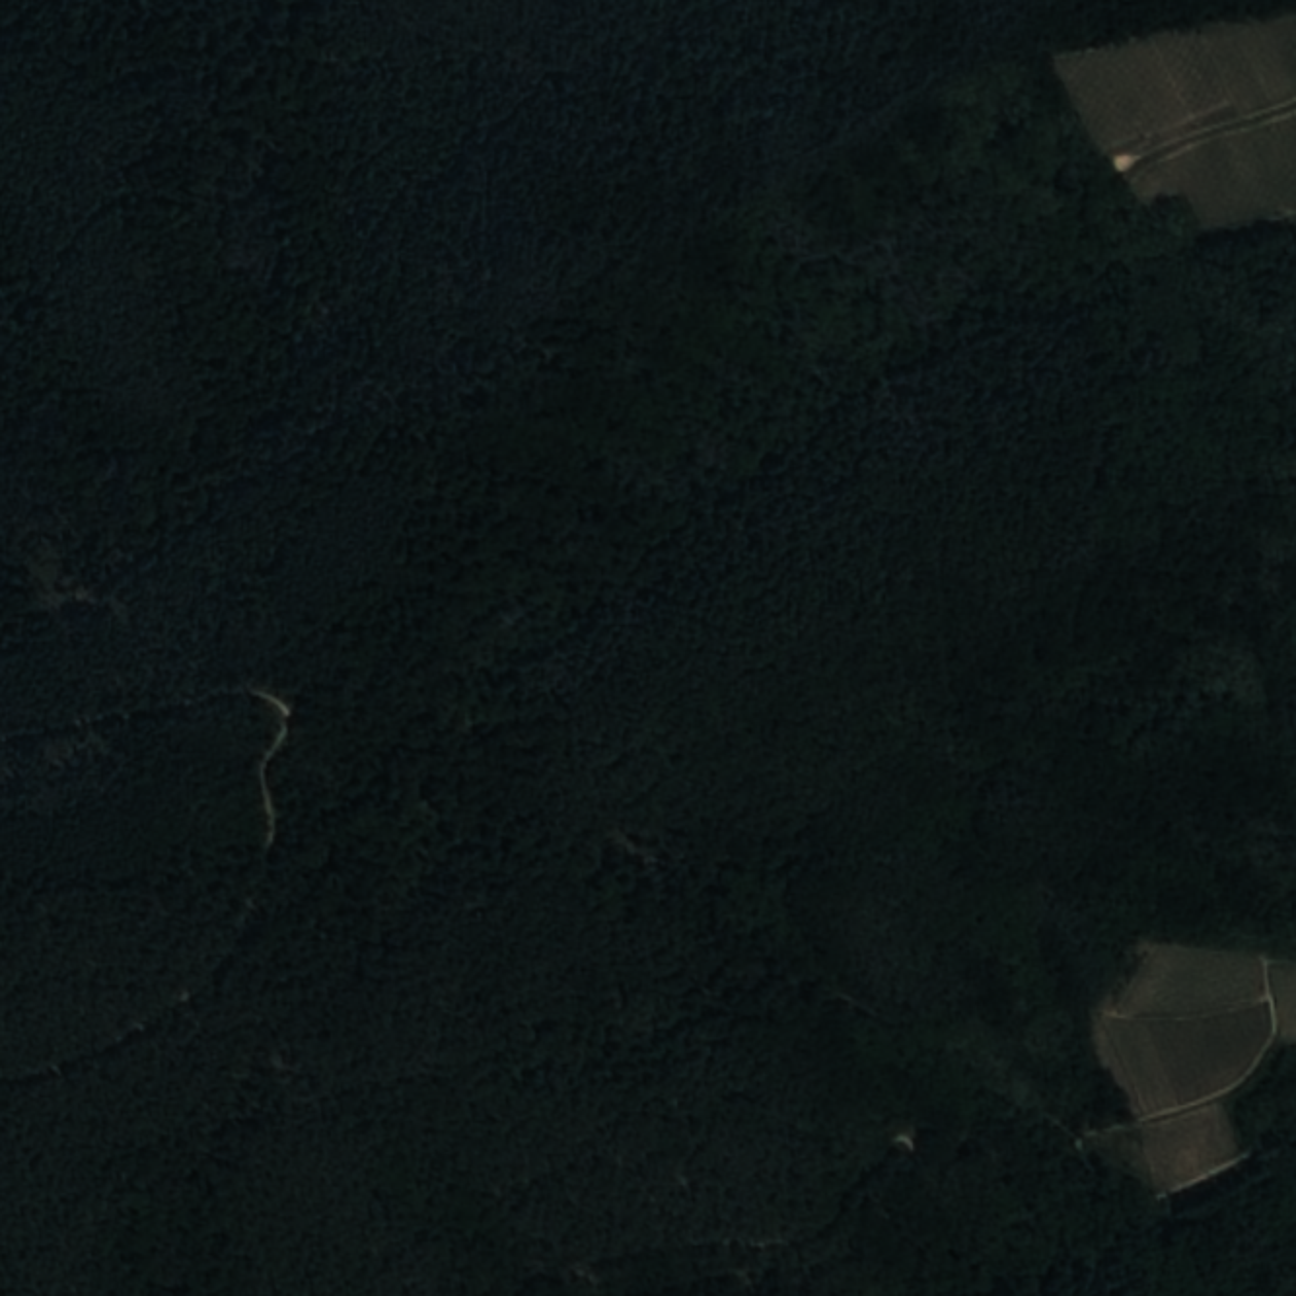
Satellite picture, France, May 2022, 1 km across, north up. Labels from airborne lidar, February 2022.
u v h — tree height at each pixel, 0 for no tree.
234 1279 23
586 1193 19
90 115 20
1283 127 0
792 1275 10
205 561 22
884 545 23
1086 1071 14
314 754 10
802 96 24
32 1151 19
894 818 22
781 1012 21
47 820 13
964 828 18
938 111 19
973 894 19
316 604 15
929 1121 17
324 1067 20
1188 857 17
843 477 11
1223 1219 22
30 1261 23
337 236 25
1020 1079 11
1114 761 22
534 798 21
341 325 29
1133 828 19
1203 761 18
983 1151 14
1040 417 22
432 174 17
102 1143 21
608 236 26
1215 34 0
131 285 20
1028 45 15
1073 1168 22
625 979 21
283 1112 18
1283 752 22
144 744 10
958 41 22
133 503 34
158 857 8
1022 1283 30
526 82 20
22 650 19
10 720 20
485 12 20
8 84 24
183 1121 19
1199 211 0
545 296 21
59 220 21
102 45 18
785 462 23
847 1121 16
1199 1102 0
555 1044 22
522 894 22
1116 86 0
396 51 26
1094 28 11
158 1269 24
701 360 22
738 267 15
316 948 22
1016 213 19
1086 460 24
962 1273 19
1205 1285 19
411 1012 21
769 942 24
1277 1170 23
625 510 28
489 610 30
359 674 12
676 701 18
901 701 18
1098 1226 14
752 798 18
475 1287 15
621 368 24
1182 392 17
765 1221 17
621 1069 20
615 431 25
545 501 25
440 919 22
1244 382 22
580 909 23
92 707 18
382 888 26
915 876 15
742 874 20
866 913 16
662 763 15
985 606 18
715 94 22
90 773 19
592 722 19
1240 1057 0
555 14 25
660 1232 13
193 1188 25
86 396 19
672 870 20
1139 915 16
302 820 12
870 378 22
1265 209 0
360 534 14
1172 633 14
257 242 28
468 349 16
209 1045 25
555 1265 15
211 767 9
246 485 22
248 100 33
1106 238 13
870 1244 23
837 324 19
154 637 20
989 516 21
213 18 25
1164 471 18
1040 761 20
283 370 28
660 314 24
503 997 19
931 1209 22
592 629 28
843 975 20
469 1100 18
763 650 19
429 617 25
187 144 18
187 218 27
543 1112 17
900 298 27
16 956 20
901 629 20
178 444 19
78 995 19
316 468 24
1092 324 21
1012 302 21
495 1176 19
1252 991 0
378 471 15
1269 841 16
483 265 19
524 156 21
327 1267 18
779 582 21
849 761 17
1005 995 21
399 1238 18
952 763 15
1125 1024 0
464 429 17
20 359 27
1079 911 18
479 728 19
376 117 17
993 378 25
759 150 23
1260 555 15
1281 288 22
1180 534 14
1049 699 22
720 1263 17
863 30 28
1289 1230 16
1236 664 18
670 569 22
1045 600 18
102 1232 23
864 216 12
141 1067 21
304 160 28
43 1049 17
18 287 21
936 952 15
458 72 19
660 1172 15
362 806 28
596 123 21
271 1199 18
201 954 18
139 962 21
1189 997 0
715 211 13
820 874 19
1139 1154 0
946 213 20
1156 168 0
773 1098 20
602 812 22
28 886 13
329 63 27
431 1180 26
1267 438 22
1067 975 20
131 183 20
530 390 21
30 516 20
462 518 12
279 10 27
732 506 24
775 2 33
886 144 21
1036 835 16
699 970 17
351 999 20
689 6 27
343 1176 20
